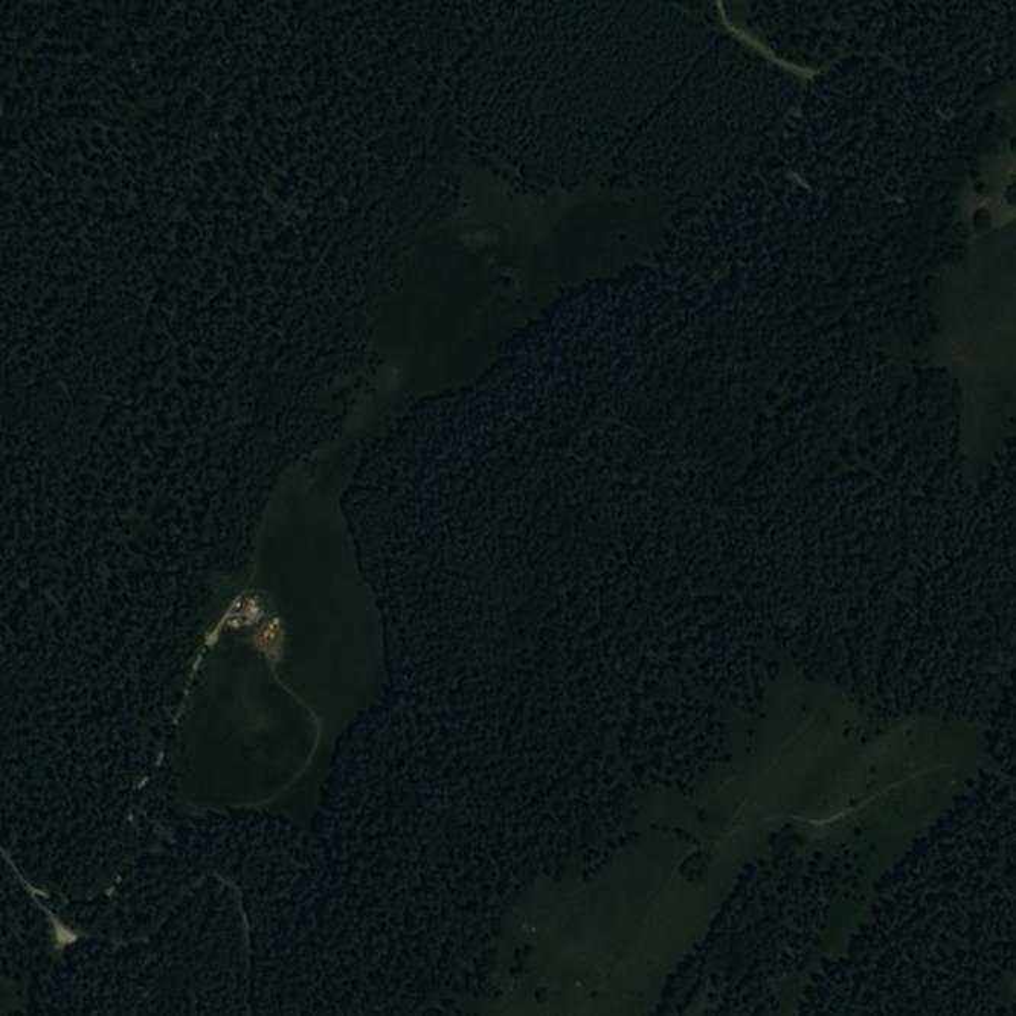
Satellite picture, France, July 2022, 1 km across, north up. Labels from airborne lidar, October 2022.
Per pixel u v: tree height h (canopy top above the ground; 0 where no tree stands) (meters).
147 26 25
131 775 17
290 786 0
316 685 0
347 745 15
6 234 25
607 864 9
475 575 12
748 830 0
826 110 23
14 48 30
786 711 0
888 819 0
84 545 33
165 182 25
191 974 16
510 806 22
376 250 18
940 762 0
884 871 0
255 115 25
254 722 0
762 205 24
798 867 18
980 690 25
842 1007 24
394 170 20
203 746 0
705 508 21
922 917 17
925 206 20
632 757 13
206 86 22
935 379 22
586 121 21
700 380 15
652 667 18
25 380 20
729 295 28
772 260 19
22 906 26
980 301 0
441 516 24
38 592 23
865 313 19
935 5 14
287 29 25
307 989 19
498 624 16
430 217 14
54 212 30
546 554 20
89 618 21
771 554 24
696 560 22
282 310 23
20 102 21
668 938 0
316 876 25
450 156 14
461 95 27
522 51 19
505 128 22
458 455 23
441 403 16
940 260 16
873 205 18
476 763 19
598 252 0
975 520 32
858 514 26
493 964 14
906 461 26
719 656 14
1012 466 25
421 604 25
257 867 25
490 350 0
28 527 22
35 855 24
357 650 0
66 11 18
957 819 16
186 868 21
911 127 22
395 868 20
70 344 24
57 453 15
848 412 21
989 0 24
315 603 0
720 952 19
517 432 28
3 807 9
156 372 31
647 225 0
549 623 18
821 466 22
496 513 19
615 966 0
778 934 23
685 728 14
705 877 12
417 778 22
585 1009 0
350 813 27
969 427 0
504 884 15
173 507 15
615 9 22
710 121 14
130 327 24
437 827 17
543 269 0
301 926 19
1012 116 0
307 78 22
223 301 21
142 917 21
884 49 18
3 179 25
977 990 14
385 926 25
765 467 19
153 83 17
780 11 21
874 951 19
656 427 21
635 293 27
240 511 25
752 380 20
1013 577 17
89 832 18
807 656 11
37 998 22
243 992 16
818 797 0
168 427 27
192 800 0
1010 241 0
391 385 0
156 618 24
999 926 13
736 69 18
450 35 17
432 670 28
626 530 15
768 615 14
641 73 19
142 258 23
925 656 27
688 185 15
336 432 13
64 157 25
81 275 17
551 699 19
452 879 23
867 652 19
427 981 16
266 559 0
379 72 28
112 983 30
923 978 25
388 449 13
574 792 13
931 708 18
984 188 15
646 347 25
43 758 19
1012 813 25
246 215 30
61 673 20
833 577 22
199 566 23
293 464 12
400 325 0
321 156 26
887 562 24
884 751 0
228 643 0
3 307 23
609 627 24
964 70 14
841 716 0
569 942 0
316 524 0
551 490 14
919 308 18
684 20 17
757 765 0
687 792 10
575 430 21
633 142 17
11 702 9
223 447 14
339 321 20
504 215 0
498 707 22
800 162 23
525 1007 0
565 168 16
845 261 18
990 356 0
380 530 16
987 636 23
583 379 23
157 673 14
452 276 0
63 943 0
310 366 18
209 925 20
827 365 19
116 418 24
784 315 17
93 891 16
